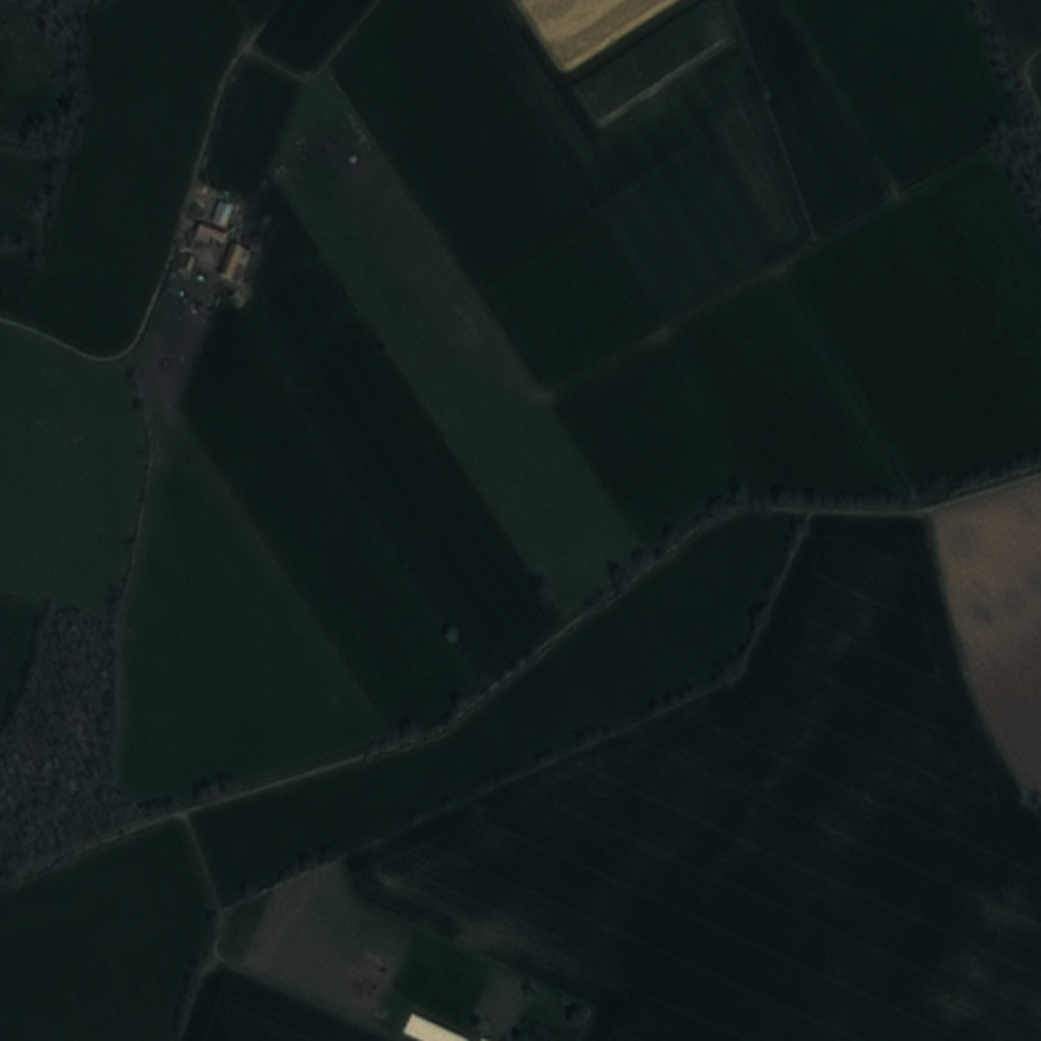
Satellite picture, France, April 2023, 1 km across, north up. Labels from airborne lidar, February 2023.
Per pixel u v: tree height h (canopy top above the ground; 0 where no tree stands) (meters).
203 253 0
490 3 0
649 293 0
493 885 0
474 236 0
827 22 0
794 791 0
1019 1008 0
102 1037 0
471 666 0
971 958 0
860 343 0
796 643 0
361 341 0
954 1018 0
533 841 0
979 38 0
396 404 0
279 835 0
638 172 0
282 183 0
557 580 0
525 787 0
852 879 0
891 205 0
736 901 0
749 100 0
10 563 0
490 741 0
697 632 0
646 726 0
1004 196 0
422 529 0
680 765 0
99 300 0
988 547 0
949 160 0
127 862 0
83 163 0
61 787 17
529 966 0
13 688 0
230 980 0
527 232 0
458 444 0
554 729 0
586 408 0
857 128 0
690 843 0
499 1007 0
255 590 0
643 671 0
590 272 0
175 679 0
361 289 0
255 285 0
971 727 0
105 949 0
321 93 0
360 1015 0
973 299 0
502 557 0
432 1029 0
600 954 0
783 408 0
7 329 0
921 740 0
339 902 0
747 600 0
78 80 17
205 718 0
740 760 0
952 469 0
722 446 0
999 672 0
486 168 0
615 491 0
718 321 0
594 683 0
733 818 0
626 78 0
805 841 0
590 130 0
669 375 0
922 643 0
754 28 0
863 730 0
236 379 0
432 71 0
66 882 0
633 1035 0
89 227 0
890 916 0
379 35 0
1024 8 0
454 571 0
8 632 0
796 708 0
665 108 0
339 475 0
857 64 0
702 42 0
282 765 0
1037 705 0
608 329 0
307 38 0
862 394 0
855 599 0
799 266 0
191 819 0
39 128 18
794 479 0
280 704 0
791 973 0
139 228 0
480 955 0
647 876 0
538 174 0
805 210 0
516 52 0
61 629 11
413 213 0
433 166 0
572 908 0
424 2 0
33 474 0
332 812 0
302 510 0
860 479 0
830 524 0
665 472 0
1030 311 0
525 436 0
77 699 18
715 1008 0
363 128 0
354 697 0
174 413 0
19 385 0
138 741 0
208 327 0
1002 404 0
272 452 0
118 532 0
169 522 0
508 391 0
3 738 16
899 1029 0
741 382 0
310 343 0
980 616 0
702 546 0
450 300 0
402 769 0
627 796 0
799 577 0
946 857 0
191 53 0
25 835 19
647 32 0
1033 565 0
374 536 0
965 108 0
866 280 0
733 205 0
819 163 0
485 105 0
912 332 0
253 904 10
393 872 0
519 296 0
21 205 0
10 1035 0
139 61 0
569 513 0
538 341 0
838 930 0
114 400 0
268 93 0
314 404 0
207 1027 0
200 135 0
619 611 0
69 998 0
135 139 0
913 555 0
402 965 0
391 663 0
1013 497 0
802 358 0
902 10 0
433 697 0
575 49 0
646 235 0
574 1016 12
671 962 0
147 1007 0
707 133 0
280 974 0
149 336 0
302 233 0
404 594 0
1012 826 0
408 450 0
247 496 0
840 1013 0
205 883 0
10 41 0
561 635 0
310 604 0
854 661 0
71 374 0
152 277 0
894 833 0
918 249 0
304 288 0
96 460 0
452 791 0
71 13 14
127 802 10
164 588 0
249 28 0
